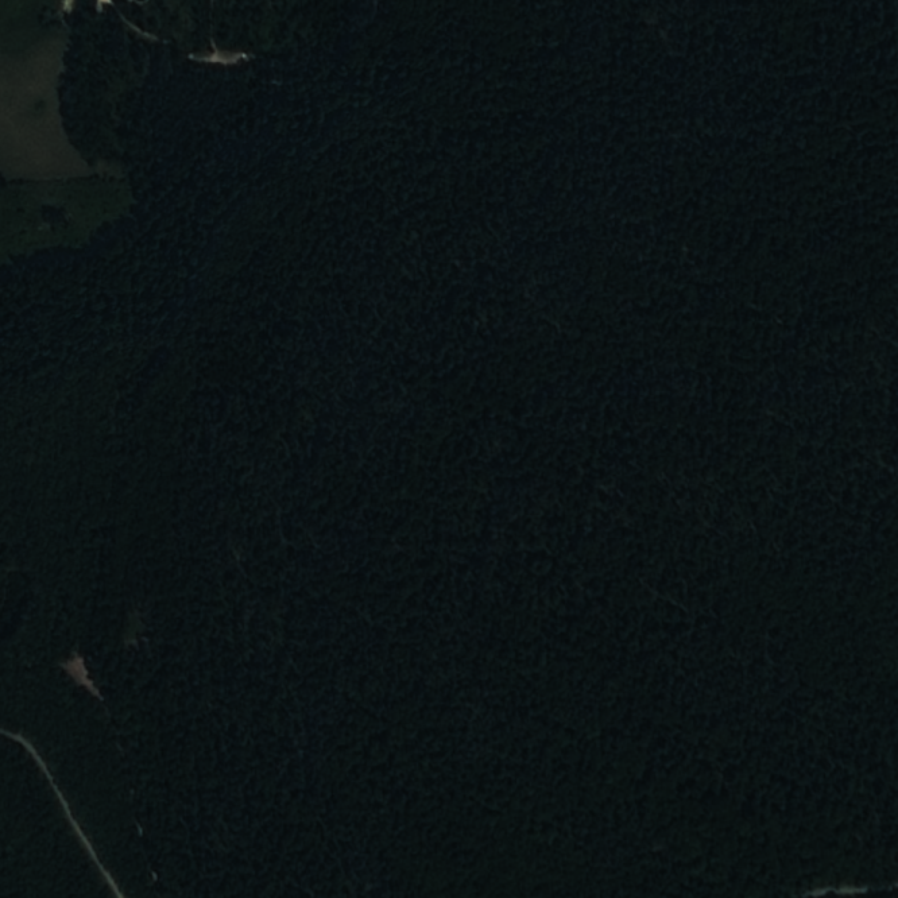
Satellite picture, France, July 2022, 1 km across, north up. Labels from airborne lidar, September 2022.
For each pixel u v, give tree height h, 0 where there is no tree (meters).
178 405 21
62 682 16
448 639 23
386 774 19
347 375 33
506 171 16
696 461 20
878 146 25
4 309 12
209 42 10
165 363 24
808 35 21
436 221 24
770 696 24
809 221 20
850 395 29
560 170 25
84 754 17
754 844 21
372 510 6
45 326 29
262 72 25
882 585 16
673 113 25
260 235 18
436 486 21
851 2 16
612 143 28
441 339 30
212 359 11
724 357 30
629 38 29
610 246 22
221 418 20
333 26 8
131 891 14
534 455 26
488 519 28
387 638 21
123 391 10
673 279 21
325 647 22
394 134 19
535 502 25
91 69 17
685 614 19
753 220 18
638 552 18
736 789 22
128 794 19
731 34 29
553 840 8
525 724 19
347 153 19
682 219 21
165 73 22
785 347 24
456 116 21
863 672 22
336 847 23
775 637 21
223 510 21
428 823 24
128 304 27
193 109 21
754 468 18
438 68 21
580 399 30
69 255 27
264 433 25
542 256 31
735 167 23
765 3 18
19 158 0
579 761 7
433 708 19
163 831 18
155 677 20
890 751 19
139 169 21
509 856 19
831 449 16
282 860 14
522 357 23
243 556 17
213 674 14
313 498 23
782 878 15
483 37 24
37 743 9
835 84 25
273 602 19
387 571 22
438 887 12
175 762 20
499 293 21
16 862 17
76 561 15
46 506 13
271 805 21
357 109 13
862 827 18
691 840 22
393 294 29
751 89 20
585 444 23
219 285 20
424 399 29
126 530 19
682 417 23
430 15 20
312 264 23
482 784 17
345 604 10
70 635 12
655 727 14
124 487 22
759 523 20
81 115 19
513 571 24
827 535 18
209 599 16
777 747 16
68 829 18
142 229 21
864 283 19
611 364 26
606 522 23
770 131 26
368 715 20
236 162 28
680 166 21
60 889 17
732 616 20
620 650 15
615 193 30
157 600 17
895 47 22
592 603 26
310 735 25
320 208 25
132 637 0
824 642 16
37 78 0
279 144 30
